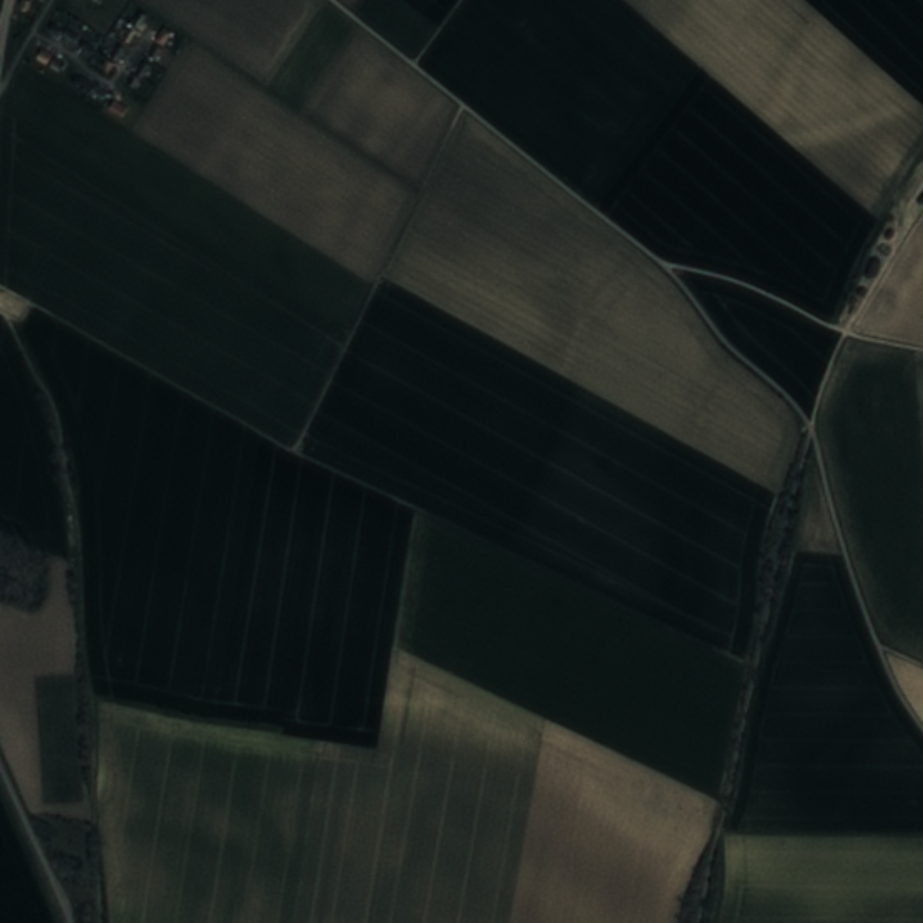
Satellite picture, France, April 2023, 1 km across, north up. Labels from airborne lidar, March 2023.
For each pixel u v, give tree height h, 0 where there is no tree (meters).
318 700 0
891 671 0
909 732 0
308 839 0
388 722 0
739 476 0
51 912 0
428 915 0
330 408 0
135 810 0
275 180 0
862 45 0
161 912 0
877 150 0
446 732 0
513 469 0
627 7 0
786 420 0
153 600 0
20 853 0
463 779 0
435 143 0
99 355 0
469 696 0
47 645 0
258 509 0
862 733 0
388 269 0
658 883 0
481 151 0
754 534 0
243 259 0
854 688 0
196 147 0
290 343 0
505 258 0
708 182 0
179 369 0
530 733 0
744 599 0
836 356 0
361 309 0
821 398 0
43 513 0
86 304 0
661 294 0
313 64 0
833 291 0
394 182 0
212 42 0
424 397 0
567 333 0
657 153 0
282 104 0
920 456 0
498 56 0
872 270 0
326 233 0
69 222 0
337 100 0
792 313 0
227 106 0
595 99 0
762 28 0
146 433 0
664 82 0
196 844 0
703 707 0
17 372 0
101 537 0
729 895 0
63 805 0
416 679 0
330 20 0
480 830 0
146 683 0
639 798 0
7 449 0
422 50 0
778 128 0
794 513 6
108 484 0
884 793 0
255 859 0
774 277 0
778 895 0
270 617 0
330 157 0
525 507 0
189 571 0
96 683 0
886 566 0
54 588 0
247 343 0
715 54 0
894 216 0
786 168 0
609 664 0
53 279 0
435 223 0
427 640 0
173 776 0
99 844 11
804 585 0
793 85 0
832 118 0
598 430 0
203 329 0
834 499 0
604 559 0
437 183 0
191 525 0
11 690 0
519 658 0
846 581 0
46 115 0
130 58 0
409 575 0
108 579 0
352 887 0
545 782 0
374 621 0
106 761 0
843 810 0
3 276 0
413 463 0
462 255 0
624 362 0
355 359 0
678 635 0
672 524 0
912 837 0
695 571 0
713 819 0
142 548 0
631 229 0
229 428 0
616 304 0
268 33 0
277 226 0
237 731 0
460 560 0
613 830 0
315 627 0
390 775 0
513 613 0
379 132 0
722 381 0
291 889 0
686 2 0
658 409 0
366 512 0
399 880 0
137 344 0
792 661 0
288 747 0
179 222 0
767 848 0
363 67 0
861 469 0
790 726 0
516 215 0
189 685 0
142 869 0
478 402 0
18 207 0
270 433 0
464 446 0
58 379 0
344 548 0
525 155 0
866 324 0
